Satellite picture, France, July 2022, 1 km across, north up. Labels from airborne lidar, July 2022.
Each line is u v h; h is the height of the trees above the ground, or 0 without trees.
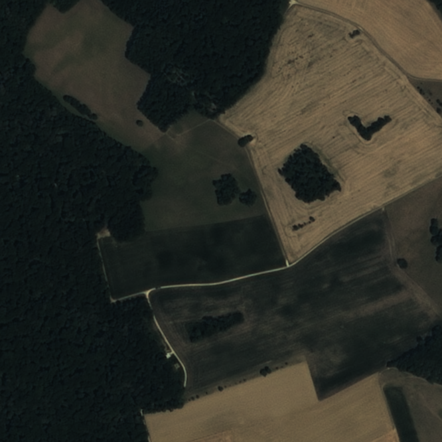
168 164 0
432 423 0
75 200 27
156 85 27
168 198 0
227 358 0
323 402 0
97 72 0
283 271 0
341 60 0
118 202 29
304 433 0
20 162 26
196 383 0
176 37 30
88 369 29
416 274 0
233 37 27
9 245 31
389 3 0
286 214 0
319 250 0
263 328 0
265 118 0
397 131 0
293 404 0
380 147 0
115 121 0
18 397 25
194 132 0
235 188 18
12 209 29
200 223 0
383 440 0
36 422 30
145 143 0
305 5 0
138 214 19
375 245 0
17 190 31
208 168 0
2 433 28
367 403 0
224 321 13
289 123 0
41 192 29
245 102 0
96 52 0
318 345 0
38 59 0
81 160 25
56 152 19
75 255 26
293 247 0
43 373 29
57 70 0
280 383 0
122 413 21
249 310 0
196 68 28
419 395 0
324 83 0
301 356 0
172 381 27
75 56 0
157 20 28
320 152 0
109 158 28
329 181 22
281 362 0
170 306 0
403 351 0
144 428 23
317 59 0
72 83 0
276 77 0
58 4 16
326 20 0
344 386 0
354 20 0
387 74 0
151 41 32
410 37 0
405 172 0
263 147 0
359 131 17
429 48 0
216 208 0
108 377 28
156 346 32
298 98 0
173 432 0
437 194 0
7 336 23
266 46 29
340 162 0
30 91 24
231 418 0
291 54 0
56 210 31
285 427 0
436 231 19
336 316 0
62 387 25
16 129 27
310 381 0
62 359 29
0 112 25
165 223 0
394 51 0
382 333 0
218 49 28
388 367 7
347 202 0
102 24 0
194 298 0
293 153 0
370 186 0
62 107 21
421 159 0
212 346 0
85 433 22
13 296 28
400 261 15
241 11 31
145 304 23
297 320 0
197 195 0
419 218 0
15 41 24
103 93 0
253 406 0
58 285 25
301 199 15
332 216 0
